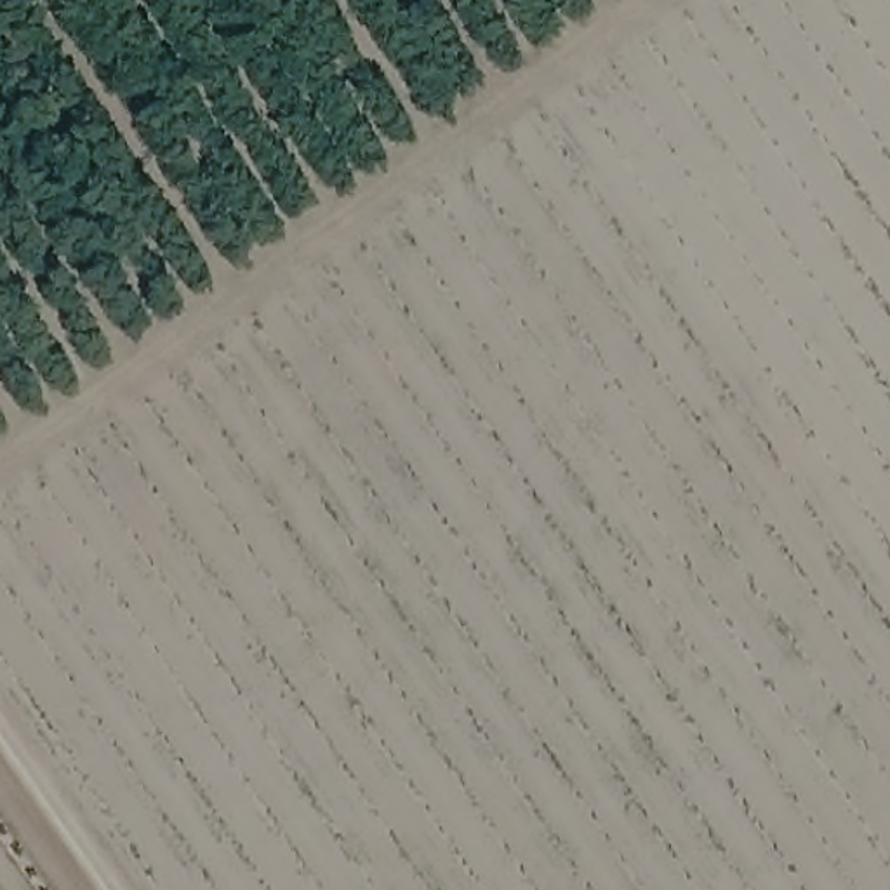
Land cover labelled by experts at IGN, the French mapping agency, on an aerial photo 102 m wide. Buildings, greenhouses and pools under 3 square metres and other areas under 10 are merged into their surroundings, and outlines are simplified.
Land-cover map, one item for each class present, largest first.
<instances>
[{"label":"agricultural land","instance_id":"1","mask_svg":"<svg viewBox=\"0 0 890 890\"><path fill-rule=\"evenodd\" d=\"M605 66L584 63V94H549V122H539L528 111L515 125L494 129L490 146L473 163L476 184L455 181L445 188V195H407L403 209L386 212L382 223L372 226L369 240H358L355 226L344 223L327 236V243L316 254H306L296 243L289 247L282 240L254 243L250 268H236L216 282L223 289V299L212 302V327L188 334L184 348H177L170 358L156 355L143 337H139L132 358H111L101 369V375L80 389L90 400L83 417L52 438H38L31 455L0 469V713L17 734V741L28 747V754L52 779L56 793L76 814L80 827L97 845L115 876L125 883V890H890V0H647L643 14L629 17L615 31V38L601 45Z\"/></svg>","mask_w":890,"mask_h":890},{"label":"deciduous trees","instance_id":"2","mask_svg":"<svg viewBox=\"0 0 890 890\"><path fill-rule=\"evenodd\" d=\"M45 14H56V21L87 52L108 90L125 101L136 132L160 160V170L181 188L188 209L198 216L216 250L236 268H250L254 243L282 240V226L313 202L299 167L285 149V139H296L302 146L313 170L334 191H351L358 170H375L379 163H386V139L414 143L410 118L403 115L382 70L358 52L334 0H0V414L3 421H10L21 410L45 414V400L38 393L42 386H52L59 393L76 389V375L63 348L52 341L38 309L31 306L24 278L7 271V257H17L21 264L35 268V282L42 296L56 306L66 334L73 337V348L87 365L101 369L111 358L108 341L94 327V316L87 313L76 289L52 282L59 261L73 257V264L83 271V282L94 289L108 316L115 320V327H122L129 337H143V330L153 320L181 313V299L191 289H205L209 278V264L191 243L188 229L181 226L174 205L156 191L143 163L129 153L122 132L76 73L73 59L63 56L59 42H52V35L45 31ZM362 24L403 73L421 111L452 122L455 97L469 94L483 76L473 56L462 49L438 0H351ZM466 17L469 35L487 49V56L497 66H532L542 56V45L556 38L563 21L591 14V0H452Z\"/></svg>","mask_w":890,"mask_h":890},{"label":"pervious surface","instance_id":"3","mask_svg":"<svg viewBox=\"0 0 890 890\"><path fill-rule=\"evenodd\" d=\"M647 0H591V14L563 21L556 38L542 45V56L532 66H497L483 76L469 94L455 97L452 122L421 111L410 118L414 143L386 139V163H379L375 170H358L351 191H334L330 198L313 202L282 226V240L289 247L296 243L306 254H316L327 243V236L344 223L355 226L358 240H369L372 226L382 223L386 212L403 209L407 195H445V188L455 181L476 184L473 163L490 146L494 129L515 125L528 111L539 122H549V94H584V63L605 66L601 45L615 38V31L629 17L643 14ZM223 299V289L216 282L209 278L205 289H191L181 299V313L153 320L143 330V337L156 355L170 358L177 348H184L188 334L212 327V302ZM38 393L45 400V414L21 410L10 421H3L0 414V469L31 455L38 438H52L83 417L90 400L80 389H76L59 393L52 386H42ZM0 751L97 890H125V883L115 876L97 845L80 827L76 814L56 793L52 779L28 754V747L17 741V734L0 713Z\"/></svg>","mask_w":890,"mask_h":890},{"label":"herbaceous vegetation","instance_id":"4","mask_svg":"<svg viewBox=\"0 0 890 890\"><path fill-rule=\"evenodd\" d=\"M358 52L382 70L403 115L410 118L421 111L403 73L362 24L351 0H334ZM462 49L473 56L483 76L497 66L487 56V49L469 35L466 17L452 0H438ZM45 31L52 35V42H59L63 56L73 59L76 73L122 132L129 153L143 163L156 191L174 205L181 226L188 229L191 243L209 264V278L216 282L236 268L216 250L198 216L188 209L181 188L160 170V160L136 132L125 101L108 90L87 52L56 21V14H45ZM285 149L299 167L313 202L330 198L334 191L313 170L302 146L296 139H285ZM7 271L24 278L31 306L38 309L52 341L63 348L76 375V389H80L101 375V369L87 365L73 348V337L66 334L56 306L42 296L35 282V268L21 264L17 257H7ZM52 282L76 289L87 313L94 316V327L108 341L111 358H132L139 337H129L122 327H115V320L108 316L94 289L83 282V271L73 264V257L59 261ZM0 890H97L0 751Z\"/></svg>","mask_w":890,"mask_h":890}]
</instances>
